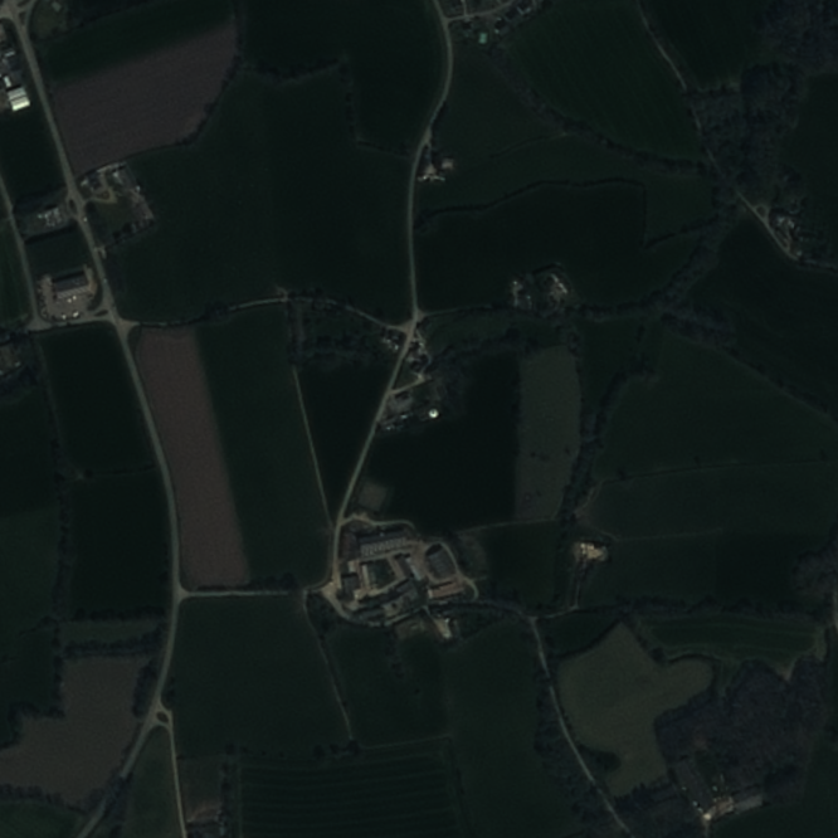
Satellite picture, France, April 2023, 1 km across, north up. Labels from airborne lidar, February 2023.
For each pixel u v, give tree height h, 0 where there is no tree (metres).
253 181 0
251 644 0
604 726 0
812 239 7
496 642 0
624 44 0
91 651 12
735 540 0
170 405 0
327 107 0
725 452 0
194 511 0
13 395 17
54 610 10
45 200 8
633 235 0
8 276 0
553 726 11
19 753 0
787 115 30
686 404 0
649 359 0
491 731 0
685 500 0
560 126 11
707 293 0
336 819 0
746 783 16
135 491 0
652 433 0
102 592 0
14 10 0
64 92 0
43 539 0
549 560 0
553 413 0
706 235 10
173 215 0
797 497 0
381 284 0
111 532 0
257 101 0
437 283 0
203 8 0
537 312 13
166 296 0
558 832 0
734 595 0
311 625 0
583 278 0
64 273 0
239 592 7
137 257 0
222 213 0
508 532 0
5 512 0
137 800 0
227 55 0
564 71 0
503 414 0
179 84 0
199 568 0
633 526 0
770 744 23
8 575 0
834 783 0
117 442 0
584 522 0
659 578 0
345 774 0
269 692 0
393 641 13
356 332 8
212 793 0
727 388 0
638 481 0
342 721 0
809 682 19
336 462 0
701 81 0
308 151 0
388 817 0
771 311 0
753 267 0
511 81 16
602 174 0
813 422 0
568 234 0
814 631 0
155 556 0
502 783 0
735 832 0
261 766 0
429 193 0
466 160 0
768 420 0
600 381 0
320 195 0
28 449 0
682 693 0
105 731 0
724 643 0
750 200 23
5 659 7
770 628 0
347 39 0
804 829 0
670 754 17
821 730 7
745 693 22
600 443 15
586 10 0
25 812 0
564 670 0
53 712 9
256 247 0
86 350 0
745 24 0
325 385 0
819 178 0
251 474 0
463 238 0
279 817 0
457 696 0
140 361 0
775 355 0
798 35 23
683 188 0
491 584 0
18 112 0
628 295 0
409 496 0
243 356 0
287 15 0
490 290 0
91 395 0
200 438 0
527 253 0
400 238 0
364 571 0
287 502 0
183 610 0
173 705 6
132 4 8
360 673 0
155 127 0
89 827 0
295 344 8
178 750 0
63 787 0
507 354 0
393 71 0
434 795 0
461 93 0
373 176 0
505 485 0
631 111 0
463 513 0
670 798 20
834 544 14
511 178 0
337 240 0
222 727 0
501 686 0
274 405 0
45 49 0
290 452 0
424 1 0
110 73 0
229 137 0
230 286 0
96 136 0
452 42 0
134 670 0
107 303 0
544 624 10
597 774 9
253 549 0
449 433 0
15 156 0
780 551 0
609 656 0
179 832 0
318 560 0
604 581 0
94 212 14
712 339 19
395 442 0
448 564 0
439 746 0
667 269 0
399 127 0
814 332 0
